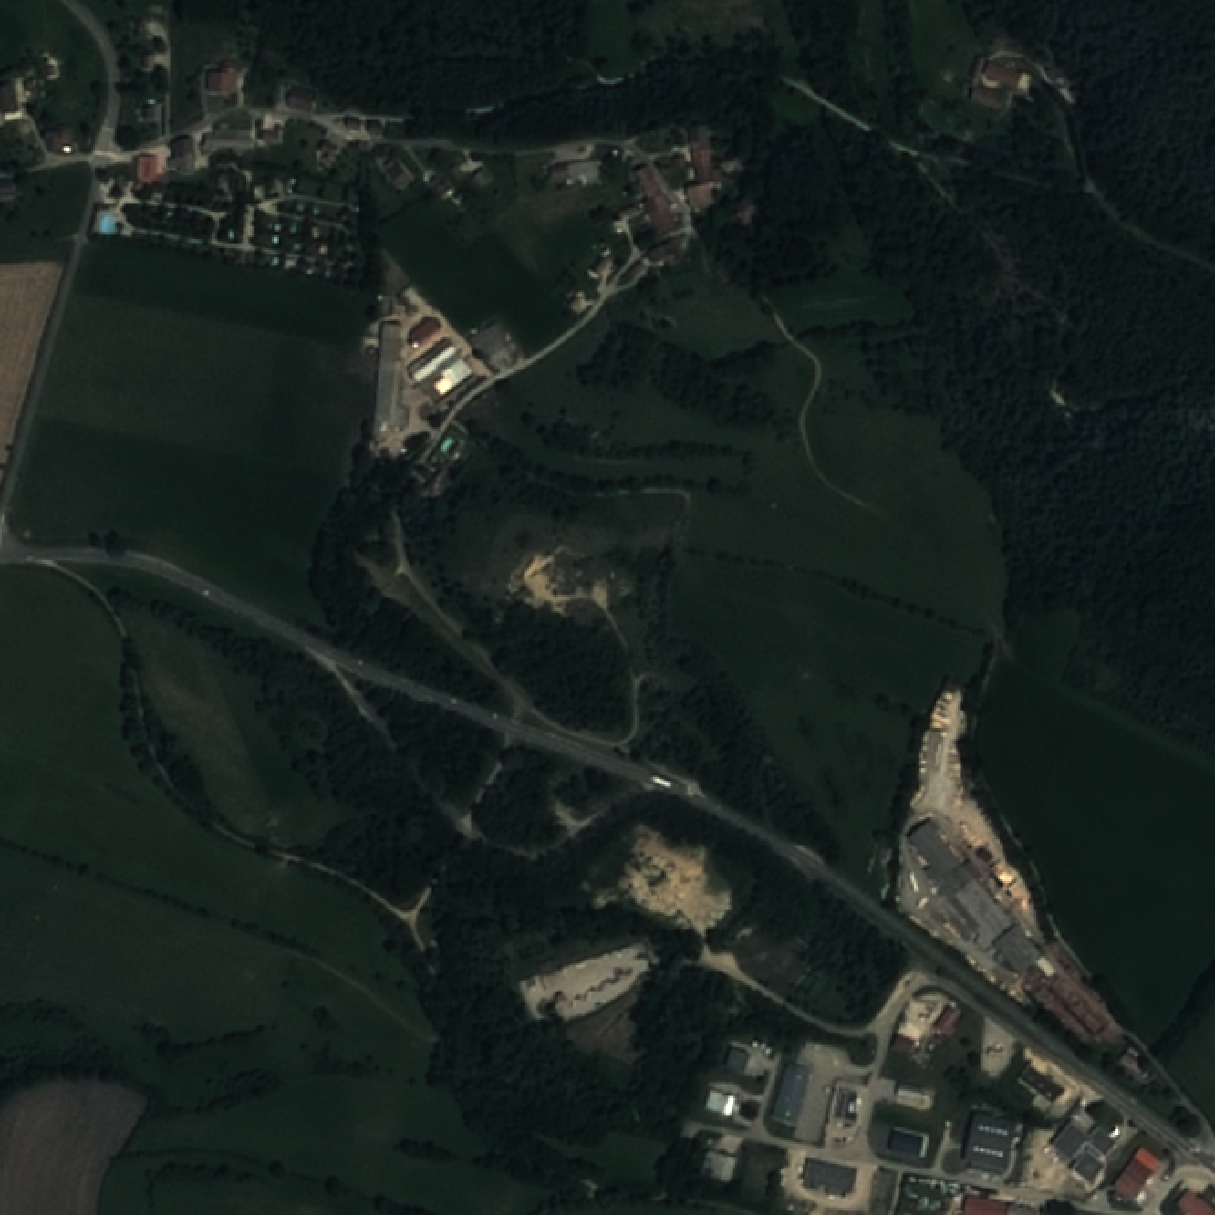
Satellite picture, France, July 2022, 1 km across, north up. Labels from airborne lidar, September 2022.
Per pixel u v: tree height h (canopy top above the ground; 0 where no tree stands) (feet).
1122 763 0
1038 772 0
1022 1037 0
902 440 0
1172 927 0
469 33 76
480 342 0
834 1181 0
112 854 0
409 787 48
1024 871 23
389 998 0
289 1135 0
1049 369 115
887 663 0
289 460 0
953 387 94
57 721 0
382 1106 0
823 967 26
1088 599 53
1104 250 37
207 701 0
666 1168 52
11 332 0
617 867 0
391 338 0
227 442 0
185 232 36
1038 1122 24
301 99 0
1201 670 51
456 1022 76
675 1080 40
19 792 0
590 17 90
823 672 0
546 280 0
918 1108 0
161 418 0
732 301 0
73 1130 0
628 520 0
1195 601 50
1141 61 58
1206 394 57
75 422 0
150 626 0
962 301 79
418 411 0
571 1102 36
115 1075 42
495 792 41
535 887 73
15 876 0
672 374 38
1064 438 55
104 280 0
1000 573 0
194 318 0
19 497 0
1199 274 36
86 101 0
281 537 0
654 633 26
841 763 0
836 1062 0
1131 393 45
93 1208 0
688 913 0
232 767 0
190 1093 0
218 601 0
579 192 0
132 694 41
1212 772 0
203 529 0
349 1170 0
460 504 38
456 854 52
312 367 0
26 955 0
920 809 0
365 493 62
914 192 77
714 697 48
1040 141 79
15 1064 21
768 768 29
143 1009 0
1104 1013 0
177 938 0
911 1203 0
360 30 46
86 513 0
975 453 65
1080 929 0
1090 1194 0
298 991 0
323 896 0
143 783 0
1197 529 55
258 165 20
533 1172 63
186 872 0
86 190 0
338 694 62
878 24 0
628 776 0
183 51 0
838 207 87
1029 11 62
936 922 0
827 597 0
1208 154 52
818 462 0
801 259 50
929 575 0
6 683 0
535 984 0
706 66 60
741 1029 22
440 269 0
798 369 0
